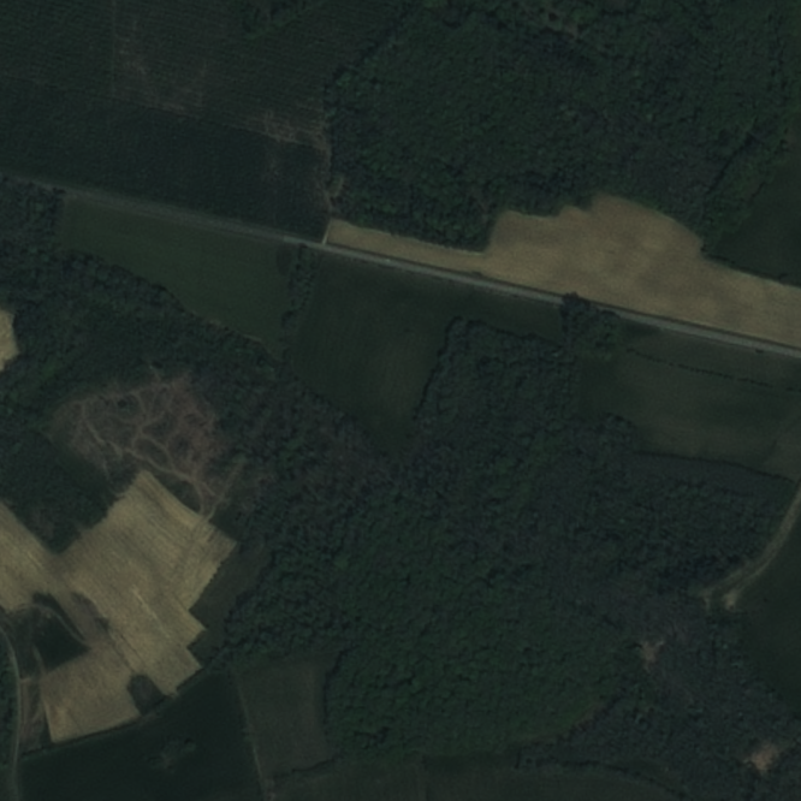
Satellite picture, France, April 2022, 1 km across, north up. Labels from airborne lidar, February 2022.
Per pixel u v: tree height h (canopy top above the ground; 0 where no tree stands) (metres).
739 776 16
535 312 0
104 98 6
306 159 7
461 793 0
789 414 0
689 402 0
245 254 0
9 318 0
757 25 23
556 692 26
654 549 15
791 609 0
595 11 17
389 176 24
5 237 23
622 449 17
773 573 0
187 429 0
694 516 21
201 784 0
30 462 10
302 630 16
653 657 0
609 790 0
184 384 0
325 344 0
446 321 0
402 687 26
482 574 25
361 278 0
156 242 0
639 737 24
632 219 0
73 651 0
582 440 22
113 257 0
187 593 0
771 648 0
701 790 22
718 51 22
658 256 0
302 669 0
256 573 0
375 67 21
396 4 21
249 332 0
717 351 0
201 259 0
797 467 0
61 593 0
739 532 23
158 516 0
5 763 21
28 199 18
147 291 20
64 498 7
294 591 20
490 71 22
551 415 18
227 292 0
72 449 0
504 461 23
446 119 25
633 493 17
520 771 8
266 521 20
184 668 0
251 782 0
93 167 6
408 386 0
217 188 6
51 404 14
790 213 0
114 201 0
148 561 0
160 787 0
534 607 26
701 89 19
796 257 0
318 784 0
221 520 0
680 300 0
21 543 0
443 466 23
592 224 0
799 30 17
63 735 0
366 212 19
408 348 0
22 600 0
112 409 27
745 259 0
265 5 0
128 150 6
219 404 28
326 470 28
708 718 18
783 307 0
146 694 0
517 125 24
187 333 13
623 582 23
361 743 20
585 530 7
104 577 0
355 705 24
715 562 13
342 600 30
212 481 0
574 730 0
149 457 0
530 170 23
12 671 17
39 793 0
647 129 23
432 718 21
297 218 6
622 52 17
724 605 0
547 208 22
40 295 28
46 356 21
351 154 22
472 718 25
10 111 6
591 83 26
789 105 19
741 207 16
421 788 0
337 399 0
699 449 0
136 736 0
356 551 25
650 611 17
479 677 23
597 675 21
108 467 0
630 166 23
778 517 17
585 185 22
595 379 0
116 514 0
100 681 0
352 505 17
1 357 0
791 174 0
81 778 0
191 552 0
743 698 26
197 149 7
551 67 24
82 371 12
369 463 23
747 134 25
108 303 28
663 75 21
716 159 20
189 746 10
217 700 0
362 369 0
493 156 24
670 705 21
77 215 0
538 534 20
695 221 17
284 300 0
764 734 24
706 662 22
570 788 0
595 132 25
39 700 0
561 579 20
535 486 18
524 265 0
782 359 0
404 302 0
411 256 0
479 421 9
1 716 0
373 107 26
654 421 0
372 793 0
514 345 23
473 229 18
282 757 0
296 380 12
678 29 23
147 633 0
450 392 23
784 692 0
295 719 0
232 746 0
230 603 0
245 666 15
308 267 18
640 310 0
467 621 25
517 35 16
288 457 20
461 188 22
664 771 0
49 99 7
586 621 30
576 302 0
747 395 0
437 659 21
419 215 21
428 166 21
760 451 0
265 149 6
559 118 26
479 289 0
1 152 6
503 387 21
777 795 20
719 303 0
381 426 0
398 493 22
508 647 25
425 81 25
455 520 18
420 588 21
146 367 21
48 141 7
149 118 6
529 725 20
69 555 0
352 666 19
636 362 0
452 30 23
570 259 0
